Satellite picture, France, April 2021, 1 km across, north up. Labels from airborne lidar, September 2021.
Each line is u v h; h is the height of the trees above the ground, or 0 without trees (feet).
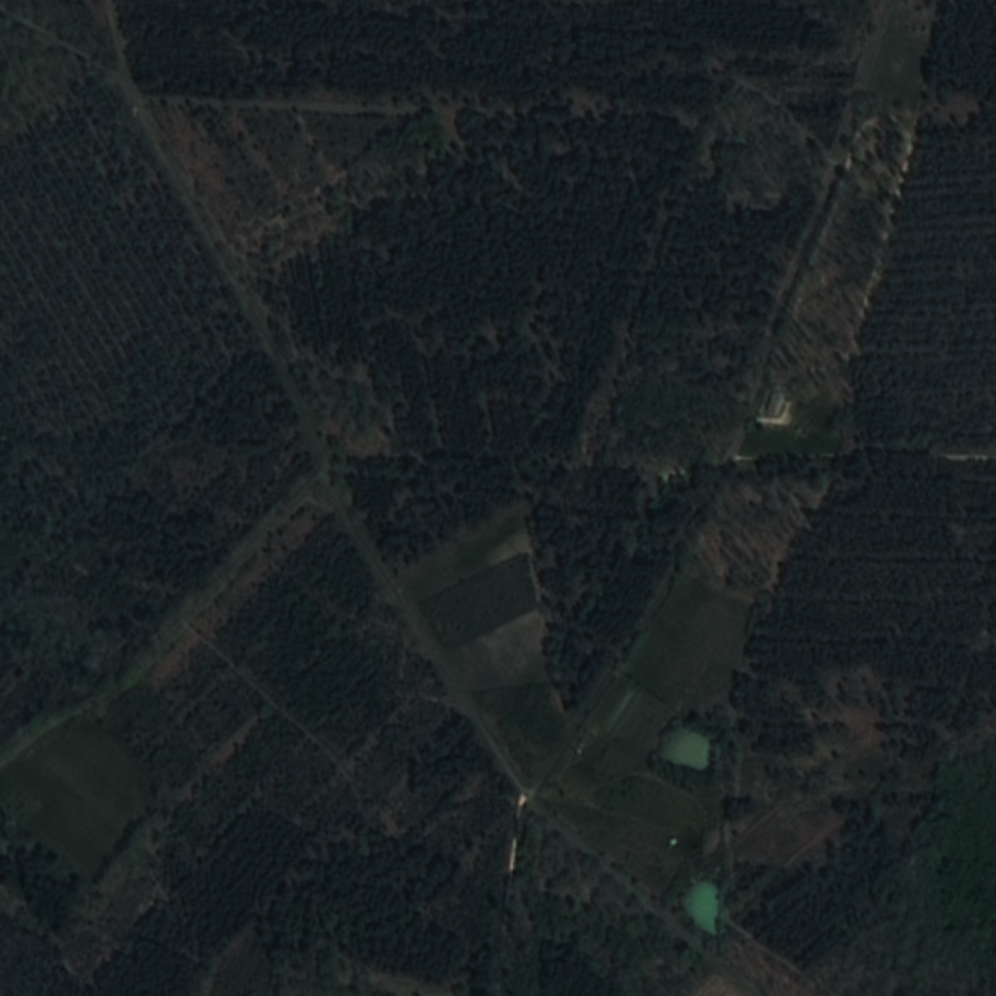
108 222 56
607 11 30
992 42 67
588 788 0
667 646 0
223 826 31
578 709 45
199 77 37
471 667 0
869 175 49
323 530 37
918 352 53
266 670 30
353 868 66
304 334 33
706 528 68
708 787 46
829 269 72
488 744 0
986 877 64
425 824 25
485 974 67
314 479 60
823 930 64
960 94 70
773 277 67
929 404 45
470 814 19
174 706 25
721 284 72
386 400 71
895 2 0
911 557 71
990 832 53
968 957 69
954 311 33
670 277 58
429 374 39
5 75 48
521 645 0
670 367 39
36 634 63
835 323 72
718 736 36
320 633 31
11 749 62
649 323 66
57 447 60
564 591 66
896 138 33
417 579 0
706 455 54
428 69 66
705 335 39
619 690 0
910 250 44
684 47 69
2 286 41
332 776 25
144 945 59
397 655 31
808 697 60
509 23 73
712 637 0
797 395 56
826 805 0
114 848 0
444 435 37
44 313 46
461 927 25
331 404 56
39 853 35
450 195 65
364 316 33
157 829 58
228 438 72
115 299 48
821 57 58
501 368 69
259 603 23
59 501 68
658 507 28
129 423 19
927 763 69
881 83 0
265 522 46
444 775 63
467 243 69
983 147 29
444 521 67
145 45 35
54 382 43
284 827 37
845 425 56
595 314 64
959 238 49
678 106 72
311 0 66
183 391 46
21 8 44
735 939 55
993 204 52
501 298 77
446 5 66
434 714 20
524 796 0
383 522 33
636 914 64
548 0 69
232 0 43
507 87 67
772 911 55
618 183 62
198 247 37
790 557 52
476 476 61
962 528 59
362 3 60
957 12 62
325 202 32
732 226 71
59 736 0
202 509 19
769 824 0
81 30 47
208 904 36
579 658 68
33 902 76
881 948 51
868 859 52
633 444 46
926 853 63
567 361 57
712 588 51
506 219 69
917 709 72
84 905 50
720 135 46
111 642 71
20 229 39
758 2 38
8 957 32
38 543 51
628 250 61
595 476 41
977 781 56
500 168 73
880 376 40
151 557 62
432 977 72
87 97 62
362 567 37
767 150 55
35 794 0
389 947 72
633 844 0
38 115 48
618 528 63
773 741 52
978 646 51
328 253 32
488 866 24
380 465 34
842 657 59
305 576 25
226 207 28
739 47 40
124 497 55
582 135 66
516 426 35
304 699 34
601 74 65
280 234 44
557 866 54
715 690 0
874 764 0
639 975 70
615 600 65
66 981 59
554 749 0
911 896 60
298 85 65
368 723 31
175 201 55
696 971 60
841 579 58
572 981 84
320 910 46
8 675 49
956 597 58
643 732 0
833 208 43
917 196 48
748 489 60
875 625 66
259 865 36
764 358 54
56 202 52
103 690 51
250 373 63
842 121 51
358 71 72
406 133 49
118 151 54
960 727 65
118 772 0
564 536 72
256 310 54
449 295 71
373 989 49
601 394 55
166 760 24
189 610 50
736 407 45
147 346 55
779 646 59
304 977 64
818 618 61
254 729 22
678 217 57
